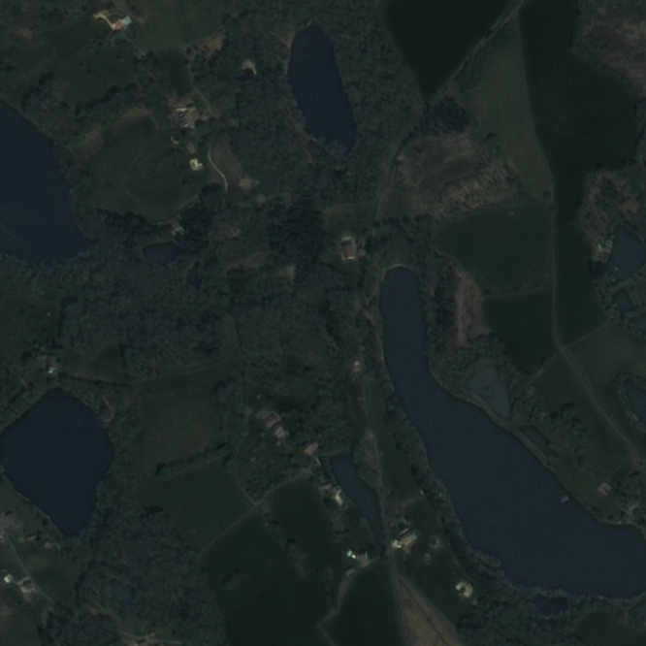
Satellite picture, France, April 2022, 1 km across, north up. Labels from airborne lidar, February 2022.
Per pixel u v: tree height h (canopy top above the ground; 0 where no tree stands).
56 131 26
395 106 26
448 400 0
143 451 0
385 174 0
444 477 0
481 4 0
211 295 23
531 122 0
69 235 0
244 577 13
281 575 0
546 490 0
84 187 22
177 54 0
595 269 19
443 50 0
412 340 0
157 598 30
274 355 22
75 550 19
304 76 0
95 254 17
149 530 27
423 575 0
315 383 6
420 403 0
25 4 23
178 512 0
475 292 0
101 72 0
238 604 0
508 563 0
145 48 0
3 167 0
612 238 10
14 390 13
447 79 0
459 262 0
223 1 0
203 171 0
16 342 0
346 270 0
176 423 0
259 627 0
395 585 0
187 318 7
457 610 0
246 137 24
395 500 11
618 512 0
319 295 11
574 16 0
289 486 0
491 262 0
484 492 0
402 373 0
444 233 0
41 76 0
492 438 0
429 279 22
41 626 0
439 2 0
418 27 0
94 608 23
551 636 23
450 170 0
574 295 0
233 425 24
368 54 19
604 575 0
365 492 0
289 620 0
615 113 0
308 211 23
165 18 0
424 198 0
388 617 0
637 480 16
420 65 0
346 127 0
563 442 16
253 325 29
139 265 17
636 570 0
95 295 20
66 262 13
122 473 19
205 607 26
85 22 0
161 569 29
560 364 0
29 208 0
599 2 10
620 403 0
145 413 0
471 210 19
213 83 21
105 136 0
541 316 0
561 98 0
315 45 0
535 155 0
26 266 19
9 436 0
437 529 0
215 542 0
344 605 0
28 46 0
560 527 0
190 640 25
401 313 0
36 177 0
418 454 17
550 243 0
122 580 21
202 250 11
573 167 0
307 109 0
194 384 0
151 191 0
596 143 0
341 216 0
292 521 0
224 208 16
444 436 0
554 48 0
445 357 20
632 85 10
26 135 0
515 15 0
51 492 0
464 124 16
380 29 19
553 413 0
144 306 12
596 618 0
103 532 24
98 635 27
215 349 11
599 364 0
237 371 0
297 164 22
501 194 0
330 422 8
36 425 0
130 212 0
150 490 0
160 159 0
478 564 10
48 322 0
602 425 0
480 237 0
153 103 28
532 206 0
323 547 0
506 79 0
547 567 0
